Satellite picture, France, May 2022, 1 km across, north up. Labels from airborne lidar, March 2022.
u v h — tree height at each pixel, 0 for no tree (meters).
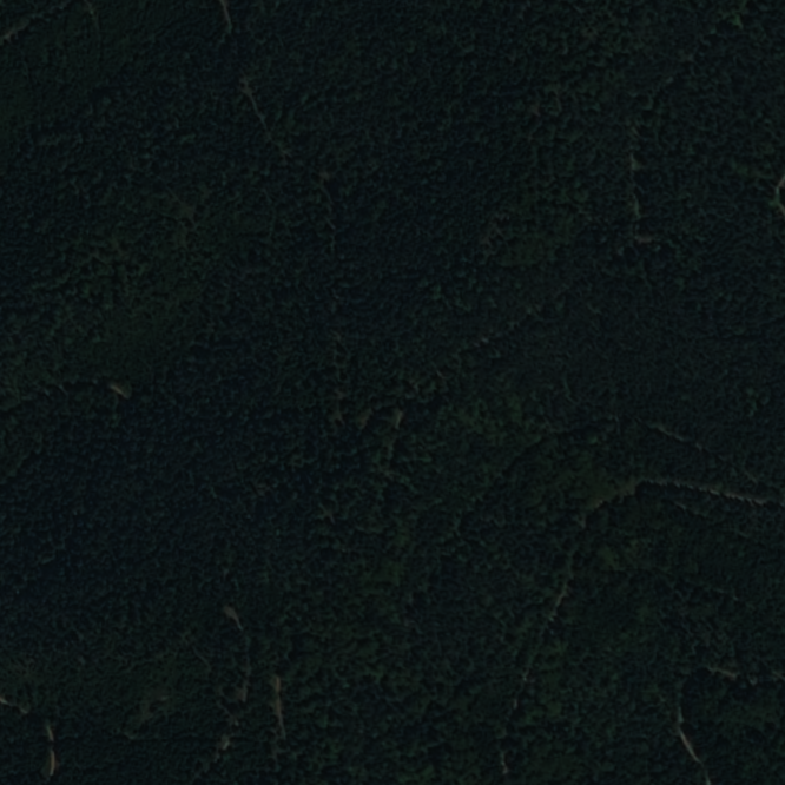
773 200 21
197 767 19
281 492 13
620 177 11
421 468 20
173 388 29
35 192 19
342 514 23
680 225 10
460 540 27
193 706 6
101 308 28
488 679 25
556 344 28
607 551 22
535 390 23
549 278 31
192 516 29
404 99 12
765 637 12
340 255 20
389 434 16
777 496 22
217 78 29
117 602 27
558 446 22
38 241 21
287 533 8
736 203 27
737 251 20
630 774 30
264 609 18
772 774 14
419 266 19
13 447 26
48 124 18
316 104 11
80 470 31
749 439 16
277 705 0
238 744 9
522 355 27
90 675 8
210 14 21
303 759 25
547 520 15
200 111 11
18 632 28
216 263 30
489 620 29
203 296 8
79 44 10
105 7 12
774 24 26
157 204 9
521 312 30
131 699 10
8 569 25
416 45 12
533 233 29
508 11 15
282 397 13
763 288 26
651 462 20
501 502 15
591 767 30
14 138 16
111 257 13
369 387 11
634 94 10
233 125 24
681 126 29
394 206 21
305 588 28
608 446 26
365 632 27
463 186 22
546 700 27
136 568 32
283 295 29
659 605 18
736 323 23
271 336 18
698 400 24
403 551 27
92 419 11
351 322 27
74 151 19
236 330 27
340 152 25
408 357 26
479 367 29
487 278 28
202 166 20
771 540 10
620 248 12
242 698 0
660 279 30
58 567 18
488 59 19
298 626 30
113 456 10
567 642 14
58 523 33
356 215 29
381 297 29
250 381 36
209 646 30
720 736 16
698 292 27
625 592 15
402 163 9
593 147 11
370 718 30
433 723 31
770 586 10
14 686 8
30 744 16
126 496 30
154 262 8
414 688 20
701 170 21
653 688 21
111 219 17
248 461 31
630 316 24
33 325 14
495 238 6
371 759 27
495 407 18
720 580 19
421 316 24
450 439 15
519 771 23
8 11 10
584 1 19
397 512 28
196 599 15
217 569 29
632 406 21
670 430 10
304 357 11
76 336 11
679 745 21
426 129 17
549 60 17
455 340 31
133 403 11
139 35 11
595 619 15
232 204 8
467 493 15
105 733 18
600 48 24
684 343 30
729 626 6
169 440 26
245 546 31
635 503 17
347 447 34
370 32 21
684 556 18
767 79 28
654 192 31
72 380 8
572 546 21
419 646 31
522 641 18
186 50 30
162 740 8
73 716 8
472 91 20
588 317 31
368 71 20
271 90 14
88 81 12
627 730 27
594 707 27
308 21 26
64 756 16
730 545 15
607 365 28
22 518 26
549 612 14
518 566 28
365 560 21
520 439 16
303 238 18
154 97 16
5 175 17
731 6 23
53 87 15
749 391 20
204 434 7
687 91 18
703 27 32
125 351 10
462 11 14
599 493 24
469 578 31
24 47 17
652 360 24
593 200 11
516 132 12
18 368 18
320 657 31
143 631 15
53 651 30
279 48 22
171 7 12
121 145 12
